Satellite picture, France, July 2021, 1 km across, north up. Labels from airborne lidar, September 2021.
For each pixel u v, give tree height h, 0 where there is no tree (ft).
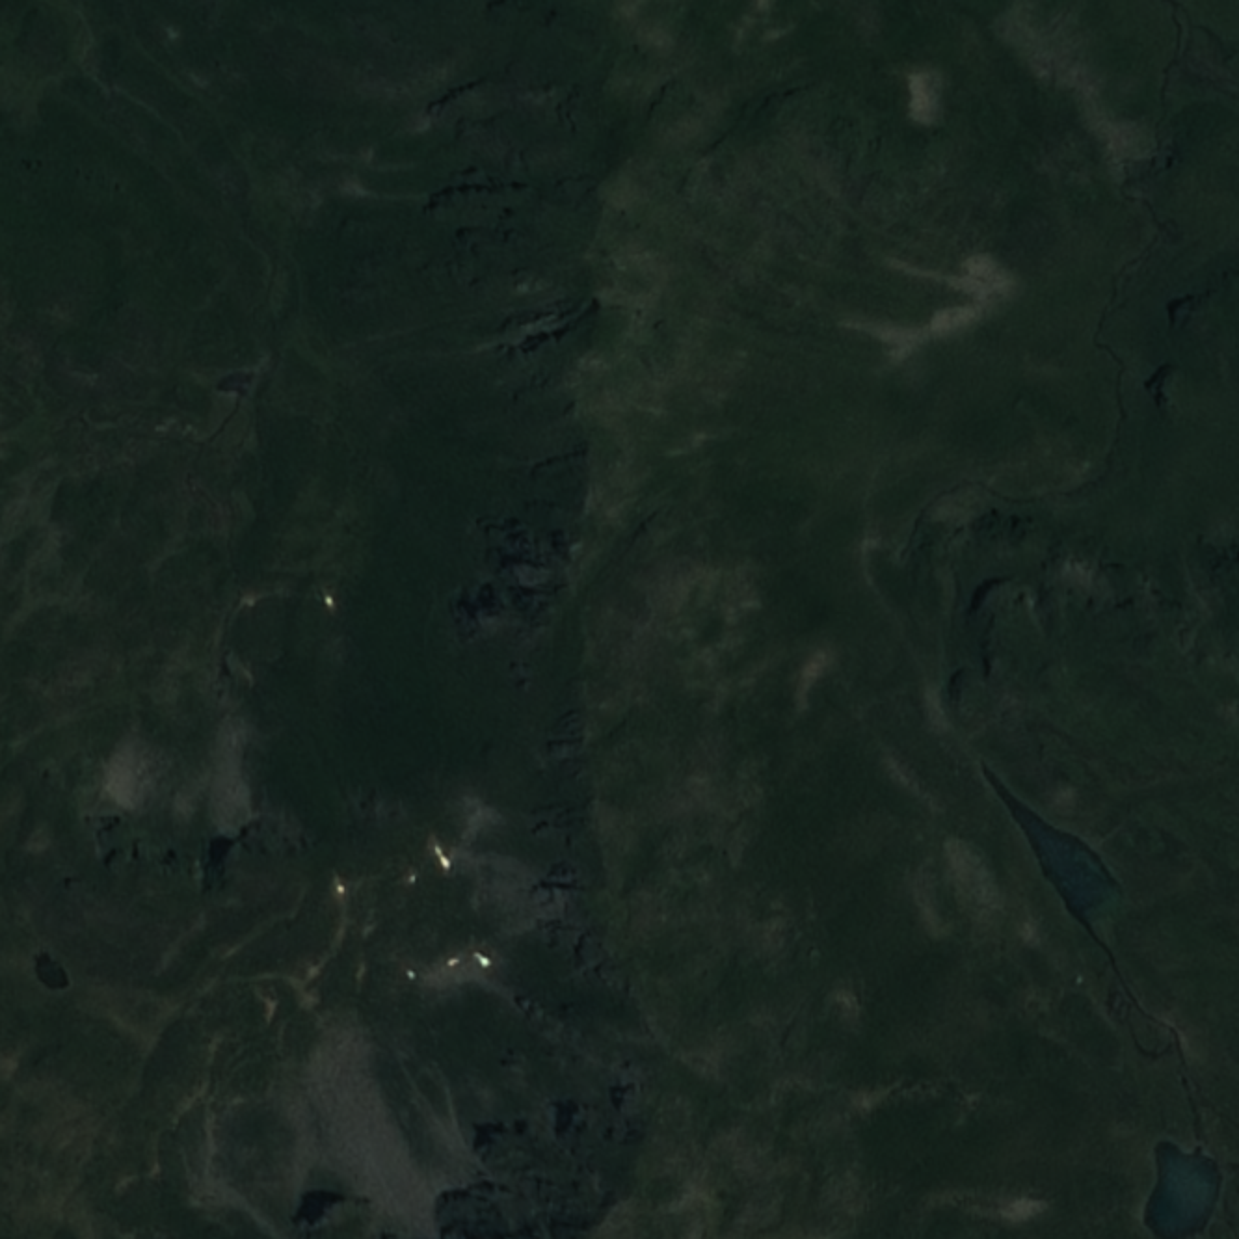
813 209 0
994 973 0
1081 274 0
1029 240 0
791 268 0
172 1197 0
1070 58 0
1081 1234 0
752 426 0
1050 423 0
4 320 0
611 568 0
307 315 0
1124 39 0
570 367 0
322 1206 32
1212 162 0
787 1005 0
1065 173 0
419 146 0
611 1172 0
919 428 0
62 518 0
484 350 0
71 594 0
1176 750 0
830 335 0
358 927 0
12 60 0
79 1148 0
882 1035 0
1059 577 0
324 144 0
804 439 0
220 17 0
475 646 0
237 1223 0
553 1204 0
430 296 0
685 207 0
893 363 0
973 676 0
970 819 0
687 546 0
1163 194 0
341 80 0
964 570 0
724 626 0
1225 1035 0
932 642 0
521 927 0
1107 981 0
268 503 0
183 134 0
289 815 0
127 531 0
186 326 0
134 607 0
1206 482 0
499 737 0
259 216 0
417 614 0
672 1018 0
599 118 0
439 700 0
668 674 0
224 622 0
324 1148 0
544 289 0
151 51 0
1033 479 0
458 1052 0
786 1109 0
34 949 0
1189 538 0
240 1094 0
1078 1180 0
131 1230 0
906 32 0
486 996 0
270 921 0
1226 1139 0
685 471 0
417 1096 0
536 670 0
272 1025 0
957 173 0
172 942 0
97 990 0
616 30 0
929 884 0
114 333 0
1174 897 0
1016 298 0
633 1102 0
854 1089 0
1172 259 0
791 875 0
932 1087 0
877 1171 0
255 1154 0
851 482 0
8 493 0
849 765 0
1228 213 0
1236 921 0
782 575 0
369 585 0
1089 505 0
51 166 0
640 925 0
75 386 0
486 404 0
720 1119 0
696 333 0
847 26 0
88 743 0
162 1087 0
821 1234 0
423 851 0
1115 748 0
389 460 0
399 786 0
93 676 0
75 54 0
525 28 0
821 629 0
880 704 0
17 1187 0
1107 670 0
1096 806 0
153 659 0
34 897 0
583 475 0
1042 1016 0
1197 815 0
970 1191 0
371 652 0
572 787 0
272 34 0
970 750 0
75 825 0
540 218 0
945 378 0
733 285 0
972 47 0
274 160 0
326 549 0
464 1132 0
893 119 0
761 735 0
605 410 0
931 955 0
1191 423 0
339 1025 0
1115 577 0
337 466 0
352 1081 0
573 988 0
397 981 0
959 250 0
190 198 0
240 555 0
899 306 0
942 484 0
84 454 0
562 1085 0
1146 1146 0
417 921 0
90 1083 0
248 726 0
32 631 0
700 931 0
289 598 0
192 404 0
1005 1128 0
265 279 0
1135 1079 0
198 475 0
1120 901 0
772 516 0
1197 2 0
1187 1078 0
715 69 0
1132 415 0
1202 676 0
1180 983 0
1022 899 0
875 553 0
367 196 0
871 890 0
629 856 0
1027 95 0
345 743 0
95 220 0
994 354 0
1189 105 0
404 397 0
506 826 0
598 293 0
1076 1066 0
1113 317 0
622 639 0
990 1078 0
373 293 0
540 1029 0
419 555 0
